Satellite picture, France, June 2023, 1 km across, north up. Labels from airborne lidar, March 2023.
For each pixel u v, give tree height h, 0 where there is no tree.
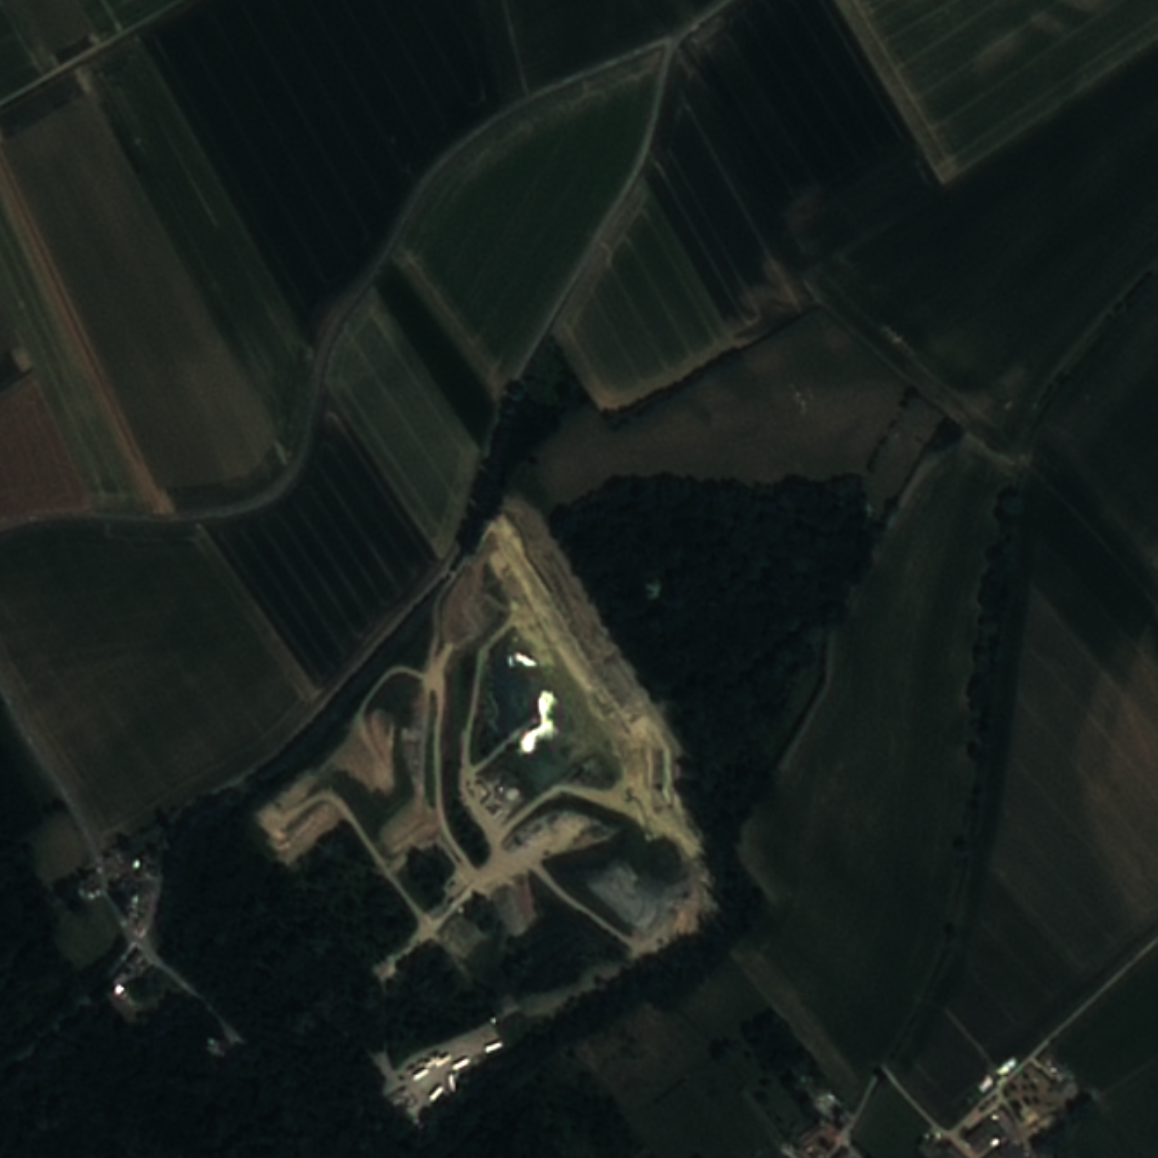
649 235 0
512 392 12
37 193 0
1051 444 0
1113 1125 0
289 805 0
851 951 0
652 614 19
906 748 0
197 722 0
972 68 0
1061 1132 14
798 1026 0
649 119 0
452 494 0
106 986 9
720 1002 0
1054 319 0
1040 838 0
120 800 0
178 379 0
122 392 0
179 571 0
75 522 0
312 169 0
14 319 0
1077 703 0
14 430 0
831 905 0
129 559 0
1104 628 0
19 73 0
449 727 0
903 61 0
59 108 0
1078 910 0
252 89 0
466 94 0
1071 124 0
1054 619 0
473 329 0
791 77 0
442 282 0
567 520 19
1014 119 0
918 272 0
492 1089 21
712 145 0
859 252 0
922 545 0
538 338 0
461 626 0
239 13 0
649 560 18
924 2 0
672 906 0
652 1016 0
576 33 0
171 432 0
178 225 0
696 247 0
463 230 0
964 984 0
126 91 0
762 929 0
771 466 0
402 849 0
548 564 0
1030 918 0
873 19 0
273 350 0
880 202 0
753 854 0
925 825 0
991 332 0
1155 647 0
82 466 0
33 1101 19
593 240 0
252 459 0
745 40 0
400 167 0
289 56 0
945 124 0
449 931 0
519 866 0
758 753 7
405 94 0
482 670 0
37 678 0
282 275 0
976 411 0
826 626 10
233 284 0
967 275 0
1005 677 0
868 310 0
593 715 0
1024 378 0
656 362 0
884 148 0
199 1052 20
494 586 0
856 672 0
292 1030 16
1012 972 0
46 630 0
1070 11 0
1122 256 0
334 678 0
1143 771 0
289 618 0
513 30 0
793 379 0
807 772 0
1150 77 0
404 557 0
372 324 0
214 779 0
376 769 0
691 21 0
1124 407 0
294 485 0
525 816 0
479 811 0
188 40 0
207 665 0
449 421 0
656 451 0
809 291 0
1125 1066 0
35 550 0
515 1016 0
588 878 0
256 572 0
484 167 0
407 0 0
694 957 23
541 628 0
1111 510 0
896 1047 0
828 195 0
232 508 0
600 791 0
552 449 0
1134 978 0
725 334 0
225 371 0
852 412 0
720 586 21
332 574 0
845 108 0
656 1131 0
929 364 0
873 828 0
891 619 0
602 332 0
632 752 0
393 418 0
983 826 0
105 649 0
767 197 0
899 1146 0
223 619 0
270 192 0
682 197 0
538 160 0
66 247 0
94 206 0
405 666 0
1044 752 0
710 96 0
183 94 0
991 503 0
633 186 0
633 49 0
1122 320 0
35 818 14
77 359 0
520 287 0
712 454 0
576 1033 10
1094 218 0
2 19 0
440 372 0
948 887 0
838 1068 0
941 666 0
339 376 0
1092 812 0
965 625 0
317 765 0
